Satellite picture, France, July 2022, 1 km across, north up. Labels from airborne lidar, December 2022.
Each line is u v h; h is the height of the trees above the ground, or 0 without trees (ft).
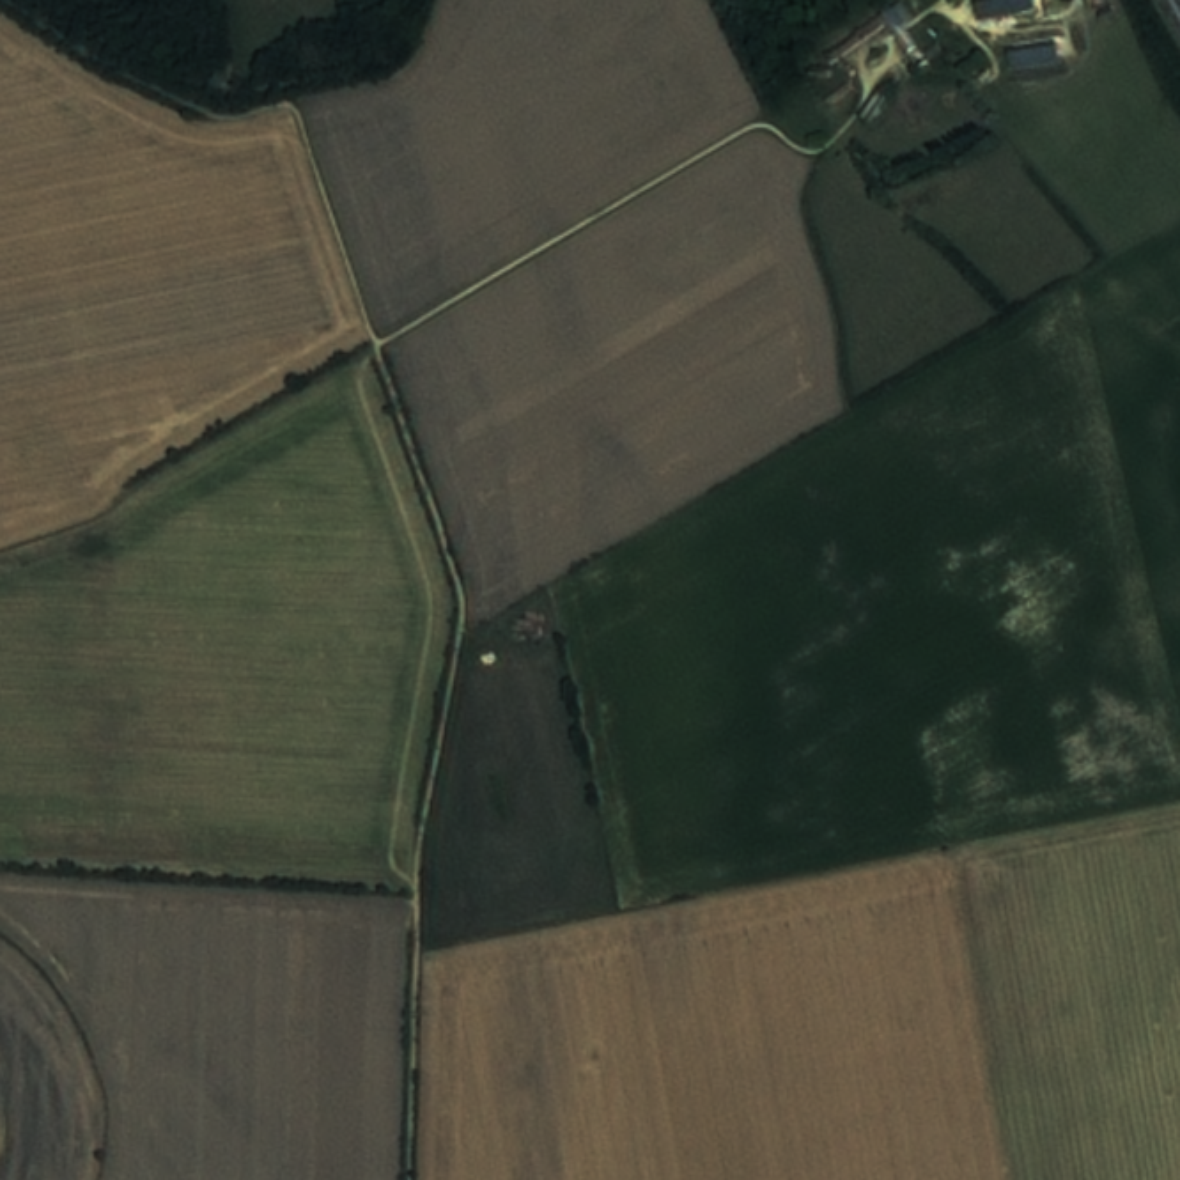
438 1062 0
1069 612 0
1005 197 0
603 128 0
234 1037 0
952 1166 0
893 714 0
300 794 0
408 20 65
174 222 0
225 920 0
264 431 0
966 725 0
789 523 0
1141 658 0
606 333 0
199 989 0
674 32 0
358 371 0
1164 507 0
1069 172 0
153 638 0
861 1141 0
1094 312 0
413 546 0
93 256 0
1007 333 0
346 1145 0
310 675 0
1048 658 0
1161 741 0
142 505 0
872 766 0
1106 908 0
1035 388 0
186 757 0
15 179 0
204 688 0
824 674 0
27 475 0
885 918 0
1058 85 0
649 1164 0
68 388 0
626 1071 0
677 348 0
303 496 0
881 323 0
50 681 0
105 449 0
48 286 0
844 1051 0
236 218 0
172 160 0
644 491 0
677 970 0
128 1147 0
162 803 0
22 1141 0
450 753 0
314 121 0
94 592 0
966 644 0
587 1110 0
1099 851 0
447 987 0
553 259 0
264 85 57
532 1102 0
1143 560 0
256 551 0
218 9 74
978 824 0
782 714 0
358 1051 0
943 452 0
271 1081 0
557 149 0
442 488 0
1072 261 0
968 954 0
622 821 0
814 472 0
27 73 0
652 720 0
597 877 0
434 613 0
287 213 0
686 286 0
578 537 0
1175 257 0
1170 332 0
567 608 0
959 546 0
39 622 0
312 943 0
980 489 0
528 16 0
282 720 0
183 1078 0
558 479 0
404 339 0
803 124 0
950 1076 0
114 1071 0
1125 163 0
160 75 52
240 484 0
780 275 0
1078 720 0
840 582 0
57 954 0
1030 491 0
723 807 0
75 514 0
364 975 0
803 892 0
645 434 0
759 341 0
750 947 0
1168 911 0
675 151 0
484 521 0
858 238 0
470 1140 0
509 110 0
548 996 0
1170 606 0
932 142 0
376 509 0
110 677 0
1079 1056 0
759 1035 0
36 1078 0
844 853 0
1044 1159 0
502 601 0
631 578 0
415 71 0
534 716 0
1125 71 0
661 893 0
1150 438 0
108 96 0
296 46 55
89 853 0
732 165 0
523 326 0
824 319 0
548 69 0
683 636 0
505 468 0
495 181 0
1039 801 0
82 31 61
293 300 0
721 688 0
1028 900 0
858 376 0
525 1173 0
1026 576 0
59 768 0
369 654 0
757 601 0
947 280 0
